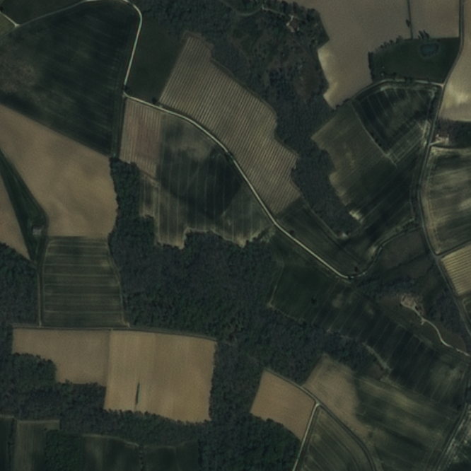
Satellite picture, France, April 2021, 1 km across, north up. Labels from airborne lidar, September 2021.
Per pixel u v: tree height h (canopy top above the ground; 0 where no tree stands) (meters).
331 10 0
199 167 0
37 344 0
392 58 0
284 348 19
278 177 0
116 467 0
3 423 0
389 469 0
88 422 20
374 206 0
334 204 13
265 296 17
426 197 0
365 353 23
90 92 0
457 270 0
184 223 0
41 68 0
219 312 14
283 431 21
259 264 18
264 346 18
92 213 0
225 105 0
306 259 0
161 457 0
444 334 0
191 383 0
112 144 0
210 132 0
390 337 0
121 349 0
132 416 15
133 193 14
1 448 0
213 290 18
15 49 0
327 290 0
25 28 0
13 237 0
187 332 15
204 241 18
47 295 0
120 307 0
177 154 0
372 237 0
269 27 8
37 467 0
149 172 0
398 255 0
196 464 0
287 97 12
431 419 0
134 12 0
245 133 0
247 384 16
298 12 16
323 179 15
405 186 0
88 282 0
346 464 0
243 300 15
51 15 0
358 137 0
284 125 18
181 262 18
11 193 0
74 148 0
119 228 13
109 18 0
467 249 0
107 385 0
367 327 0
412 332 0
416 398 0
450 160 0
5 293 19
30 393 11
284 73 16
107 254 0
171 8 11
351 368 13
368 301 0
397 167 0
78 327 0
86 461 0
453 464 0
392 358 0
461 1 0
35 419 8
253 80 11
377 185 0
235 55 20
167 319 14
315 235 0
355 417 0
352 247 0
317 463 0
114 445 0
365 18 0
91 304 0
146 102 0
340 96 0
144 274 19
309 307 0
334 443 0
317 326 0
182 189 0
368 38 0
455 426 0
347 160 0
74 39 0
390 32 0
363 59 0
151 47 0
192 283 20
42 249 0
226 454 24
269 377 0
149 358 0
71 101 0
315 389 0
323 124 16
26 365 17
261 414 0
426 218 0
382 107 0
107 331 0
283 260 0
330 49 0
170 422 14
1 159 0
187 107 0
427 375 0
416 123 0
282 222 0
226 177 0
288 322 19
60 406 18
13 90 0
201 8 13
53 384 16
